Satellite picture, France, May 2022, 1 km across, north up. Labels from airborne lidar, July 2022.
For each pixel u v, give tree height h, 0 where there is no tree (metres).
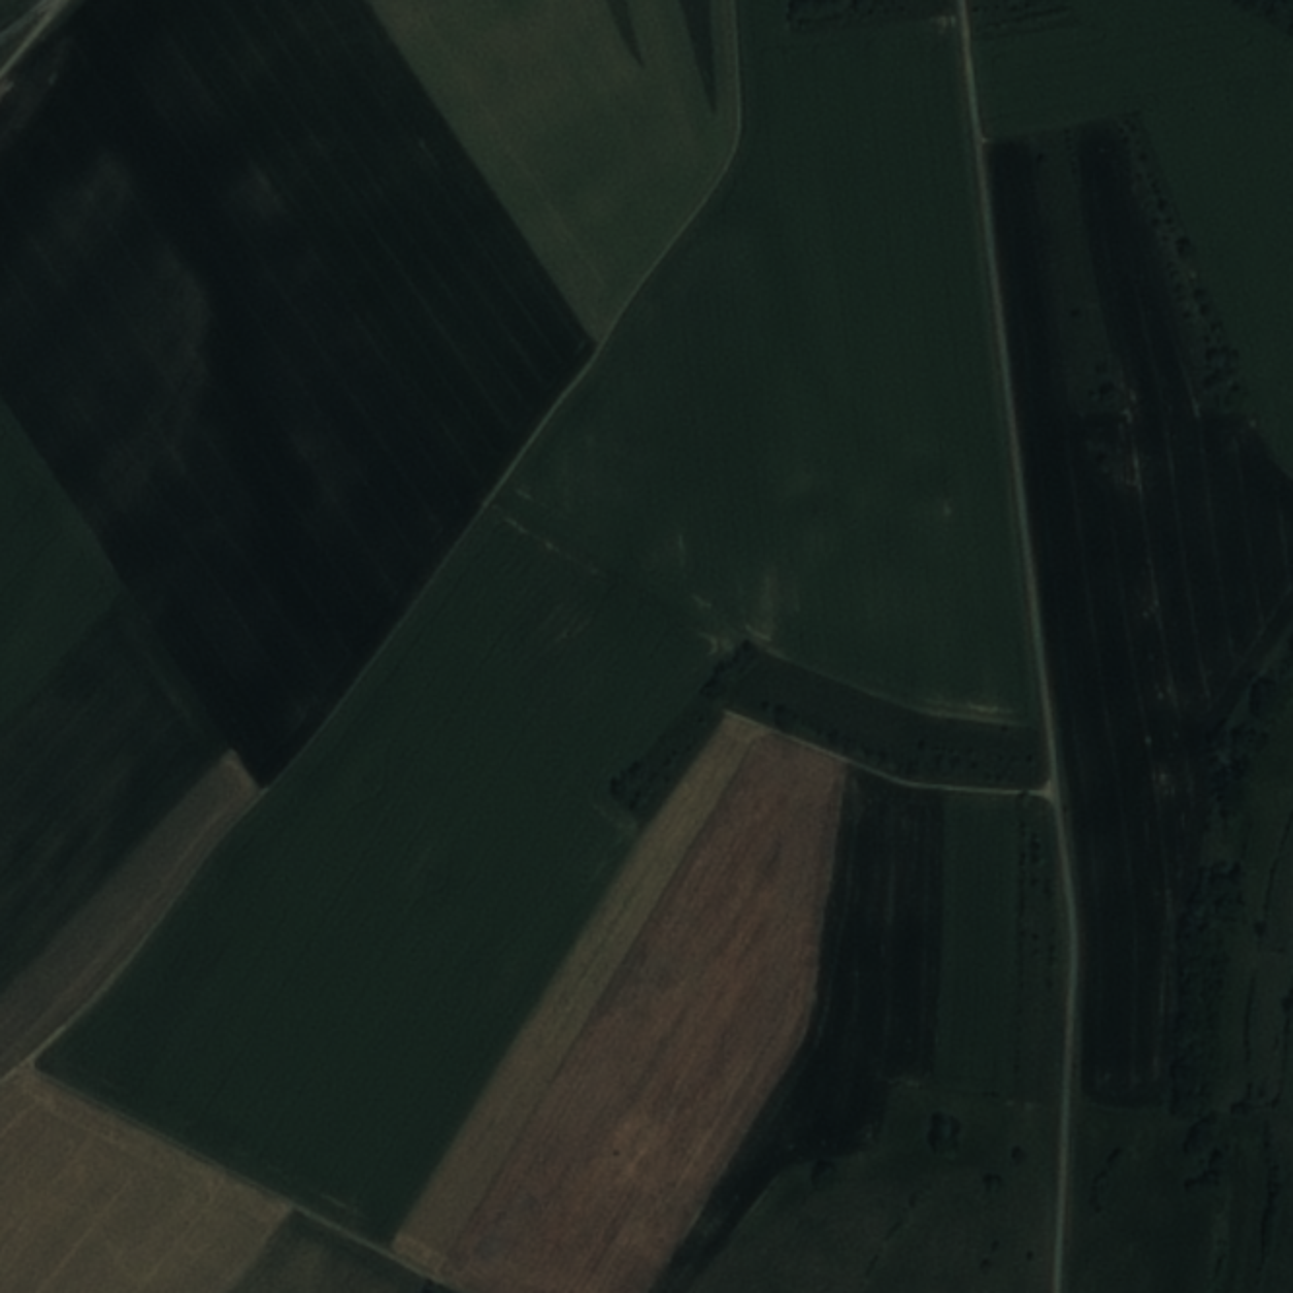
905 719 0
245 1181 0
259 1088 0
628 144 0
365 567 0
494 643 0
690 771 0
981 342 0
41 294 0
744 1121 0
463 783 0
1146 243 0
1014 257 0
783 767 0
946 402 0
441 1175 0
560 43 0
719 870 0
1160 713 0
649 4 0
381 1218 0
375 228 0
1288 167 0
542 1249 0
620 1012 0
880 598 0
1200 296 8
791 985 0
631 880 0
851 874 0
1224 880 20
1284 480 0
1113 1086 0
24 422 0
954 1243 0
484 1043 0
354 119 0
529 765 0
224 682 0
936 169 0
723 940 0
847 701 0
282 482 0
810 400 0
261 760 0
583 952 0
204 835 0
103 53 0
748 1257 0
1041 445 0
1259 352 0
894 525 0
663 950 0
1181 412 0
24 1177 0
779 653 0
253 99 0
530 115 0
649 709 0
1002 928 0
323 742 0
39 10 0
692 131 0
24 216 0
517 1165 0
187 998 0
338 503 0
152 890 0
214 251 0
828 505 0
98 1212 0
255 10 0
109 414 0
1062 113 0
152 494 0
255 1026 0
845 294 0
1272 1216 9
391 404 0
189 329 0
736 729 0
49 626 0
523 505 0
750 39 0
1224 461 0
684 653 0
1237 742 18
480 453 0
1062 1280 0
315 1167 0
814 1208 0
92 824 0
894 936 0
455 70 0
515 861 0
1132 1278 0
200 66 0
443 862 0
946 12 0
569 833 0
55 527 0
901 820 0
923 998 0
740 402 0
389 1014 0
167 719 0
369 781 0
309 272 0
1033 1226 0
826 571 0
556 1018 0
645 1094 0
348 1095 0
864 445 0
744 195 0
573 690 0
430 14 0
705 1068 0
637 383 0
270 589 0
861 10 6
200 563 0
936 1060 0
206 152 0
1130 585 0
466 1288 0
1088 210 0
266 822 0
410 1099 0
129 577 0
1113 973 0
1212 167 0
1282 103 0
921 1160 0
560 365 0
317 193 0
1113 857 0
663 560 0
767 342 0
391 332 0
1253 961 0
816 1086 0
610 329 0
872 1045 0
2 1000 0
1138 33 0
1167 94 0
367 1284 0
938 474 0
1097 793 0
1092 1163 0
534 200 0
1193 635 0
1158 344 0
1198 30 0
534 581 0
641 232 0
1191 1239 0
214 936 0
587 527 0
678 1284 0
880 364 0
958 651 0
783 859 0
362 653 0
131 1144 0
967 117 0
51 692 0
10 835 0
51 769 0
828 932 0
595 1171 0
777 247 0
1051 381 0
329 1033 0
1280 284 0
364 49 0
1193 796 0
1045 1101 0
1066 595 0
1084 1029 0
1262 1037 0
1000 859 0
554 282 0
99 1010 0
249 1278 0
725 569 0
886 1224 0
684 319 0
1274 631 0
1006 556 0
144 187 0
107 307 0
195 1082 0
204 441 0
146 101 0
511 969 0
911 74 0
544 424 0
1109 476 0
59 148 0
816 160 0
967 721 0
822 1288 0
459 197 0
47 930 0
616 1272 0
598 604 0
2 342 0
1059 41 0
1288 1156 0
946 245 0
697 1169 0
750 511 0
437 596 0
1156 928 0
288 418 0
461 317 0
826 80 0
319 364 0
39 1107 0
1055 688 0
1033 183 0
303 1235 0
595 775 0
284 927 0
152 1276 0
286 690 0
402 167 0
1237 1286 0
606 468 0
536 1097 0
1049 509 0
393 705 0
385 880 0
